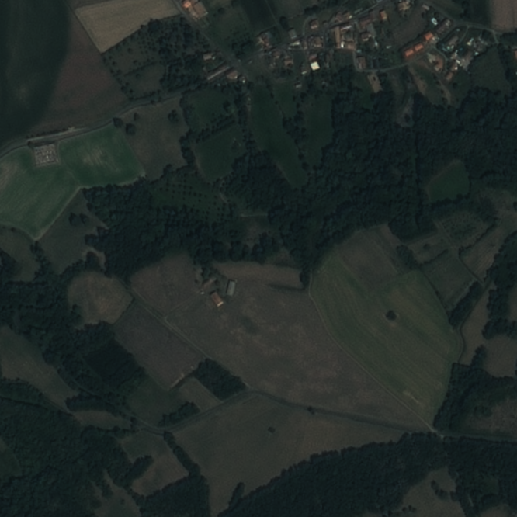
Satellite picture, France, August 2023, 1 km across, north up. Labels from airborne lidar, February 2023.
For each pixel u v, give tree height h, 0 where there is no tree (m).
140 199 27
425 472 18
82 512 22
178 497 17
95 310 0
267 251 23
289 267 0
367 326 0
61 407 0
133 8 0
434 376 0
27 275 0
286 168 0
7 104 0
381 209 26
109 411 11
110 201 19
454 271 0
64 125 0
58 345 12
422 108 27
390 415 0
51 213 0
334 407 0
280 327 0
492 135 29
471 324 0
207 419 0
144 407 0
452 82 0
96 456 18
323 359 0
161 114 0
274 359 0
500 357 0
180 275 0
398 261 0
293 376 0
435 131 27
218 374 14
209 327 0
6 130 0
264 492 18
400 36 0
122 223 17
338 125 19
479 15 0
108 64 9
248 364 0
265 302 0
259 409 0
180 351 0
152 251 30
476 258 0
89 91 0
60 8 0
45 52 0
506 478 20
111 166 0
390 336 0
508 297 18
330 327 0
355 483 21
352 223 14
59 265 0
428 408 0
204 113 0
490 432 0
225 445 0
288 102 0
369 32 0
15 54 0
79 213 0
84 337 19
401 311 0
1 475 0
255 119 0
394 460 22
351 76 14
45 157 0
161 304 0
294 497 21
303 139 12
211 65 0
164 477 0
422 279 0
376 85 0
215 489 0
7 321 15
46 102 0
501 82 0
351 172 7
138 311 0
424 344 0
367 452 19
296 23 0
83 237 0
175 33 21
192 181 0
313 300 0
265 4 0
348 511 20
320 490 21
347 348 0
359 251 0
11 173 0
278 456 0
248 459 0
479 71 0
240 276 0
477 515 13
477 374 25
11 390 11
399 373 0
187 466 17
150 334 0
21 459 10
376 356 0
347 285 0
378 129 26
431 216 17
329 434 0
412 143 24
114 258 20
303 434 0
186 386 0
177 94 0
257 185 22
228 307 0
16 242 0
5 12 0
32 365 0
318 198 13
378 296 0
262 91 0
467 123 25
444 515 0
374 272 0
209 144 0
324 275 0
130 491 12
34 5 0
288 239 19
